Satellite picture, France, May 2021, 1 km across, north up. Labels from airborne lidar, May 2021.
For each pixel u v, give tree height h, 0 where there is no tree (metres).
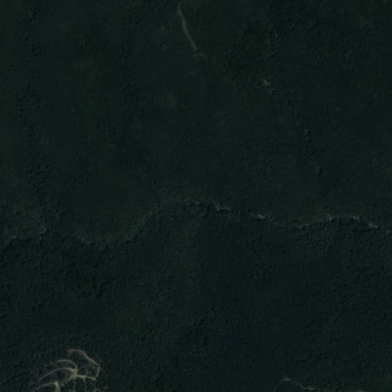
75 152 8
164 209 26
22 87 9
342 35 11
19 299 19
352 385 9
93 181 7
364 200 13
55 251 13
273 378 12
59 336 16
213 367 15
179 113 9
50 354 18
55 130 7
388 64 20
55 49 11
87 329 19
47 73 6
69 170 7
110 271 20
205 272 26
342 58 10
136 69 7
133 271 15
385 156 7
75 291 15
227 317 15
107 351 12
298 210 11
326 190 23
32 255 17
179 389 26
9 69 6
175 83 6
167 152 7
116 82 10
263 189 11
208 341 20
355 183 13
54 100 6
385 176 10
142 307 15
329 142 12
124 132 17
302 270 17
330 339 16
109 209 8
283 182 9
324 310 16
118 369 13
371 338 13
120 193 7
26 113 17
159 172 11
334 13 17
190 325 23
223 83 7
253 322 15
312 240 15
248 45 17
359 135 11
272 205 15
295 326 17
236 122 7
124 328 13
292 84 12
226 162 11
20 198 8
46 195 18
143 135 10
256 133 9
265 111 10
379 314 12
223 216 17
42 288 17
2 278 28
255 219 19
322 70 12
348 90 9
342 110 11
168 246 13
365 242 16
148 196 12
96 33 11
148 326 16
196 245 19
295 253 19
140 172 18
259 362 15
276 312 15
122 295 17
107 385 10
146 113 10
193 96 7
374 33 11
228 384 15
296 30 13
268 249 18
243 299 11
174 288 15
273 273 16
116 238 17
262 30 12
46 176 17
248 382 15
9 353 18
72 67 7
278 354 18
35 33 6
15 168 12
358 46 14
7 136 7
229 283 14
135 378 17
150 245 16
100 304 20
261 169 15
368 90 11
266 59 9
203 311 19
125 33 14
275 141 11
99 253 22
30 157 18
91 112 7
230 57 12
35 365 19
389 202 11
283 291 11
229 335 13
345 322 16
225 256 14
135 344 18
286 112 13
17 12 6
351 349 18
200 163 9
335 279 15
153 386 25
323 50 12
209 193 11
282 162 8
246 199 18
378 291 13
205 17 6
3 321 20
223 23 7
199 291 21
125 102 12
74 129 6
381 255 16
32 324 13
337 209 15
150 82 6
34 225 8
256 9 7
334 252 15
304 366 23
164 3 16
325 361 20
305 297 16
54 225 18
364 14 7
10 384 15
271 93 16
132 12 9
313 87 12
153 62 6
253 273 17
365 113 12
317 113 12
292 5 10
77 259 20
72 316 17
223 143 8
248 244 16
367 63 22
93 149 14
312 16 17
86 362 16
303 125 23
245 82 16
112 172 7
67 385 16
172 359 32
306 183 12
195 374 15
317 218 11
